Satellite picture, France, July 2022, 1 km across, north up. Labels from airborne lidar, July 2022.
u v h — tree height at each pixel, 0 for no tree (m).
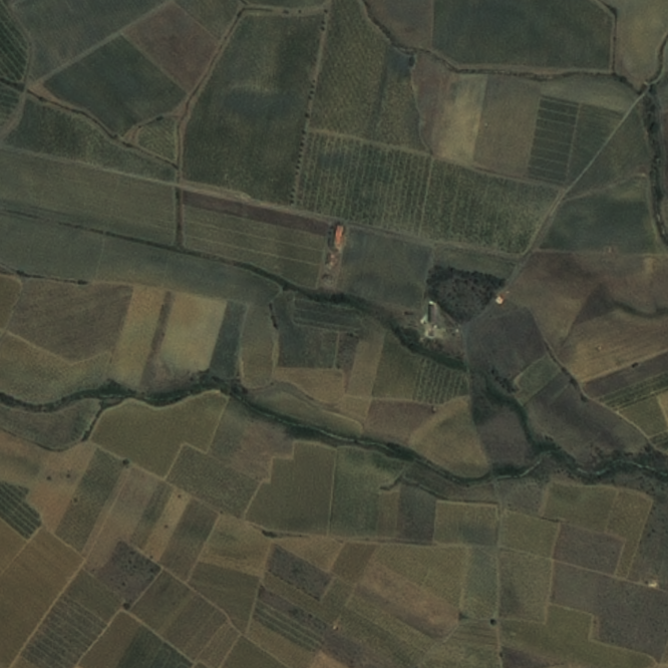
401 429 0
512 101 0
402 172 0
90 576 0
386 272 0
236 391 6
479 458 0
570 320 0
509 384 10
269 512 0
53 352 0
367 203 0
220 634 0
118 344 0
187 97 0
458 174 0
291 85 0
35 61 0
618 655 0
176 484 0
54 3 0
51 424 0
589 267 0
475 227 0
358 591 0
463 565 0
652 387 0
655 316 0
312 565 0
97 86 0
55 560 0
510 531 0
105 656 0
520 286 0
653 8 0
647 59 0
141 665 0
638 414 0
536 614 0
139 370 0
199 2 0
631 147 0
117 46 0
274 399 0
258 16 0
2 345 0
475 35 0
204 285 0
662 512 0
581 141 0
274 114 0
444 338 0
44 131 0
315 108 0
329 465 0
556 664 0
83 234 0
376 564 0
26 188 0
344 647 0
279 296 0
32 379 0
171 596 0
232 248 0
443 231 0
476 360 0
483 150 0
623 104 0
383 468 0
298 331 0
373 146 0
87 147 0
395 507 0
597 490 0
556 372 0
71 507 0
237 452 0
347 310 0
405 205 0
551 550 0
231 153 0
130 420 0
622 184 0
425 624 0
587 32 0
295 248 0
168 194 0
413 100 0
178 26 0
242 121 0
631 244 0
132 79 0
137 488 0
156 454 0
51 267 0
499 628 0
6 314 0
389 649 0
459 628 0
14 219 0
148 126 0
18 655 0
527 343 0
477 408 0
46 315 0
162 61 0
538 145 0
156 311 0
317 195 0
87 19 0
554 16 0
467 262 0
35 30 0
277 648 0
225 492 0
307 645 0
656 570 0
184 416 0
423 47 0
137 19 0
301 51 0
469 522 0
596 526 0
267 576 0
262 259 0
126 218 0
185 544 0
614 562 0
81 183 0
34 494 0
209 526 0
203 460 0
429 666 0
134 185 0
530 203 0
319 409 0
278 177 0
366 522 0
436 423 0
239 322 0
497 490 0
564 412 0
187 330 0
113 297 0
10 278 0
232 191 0
